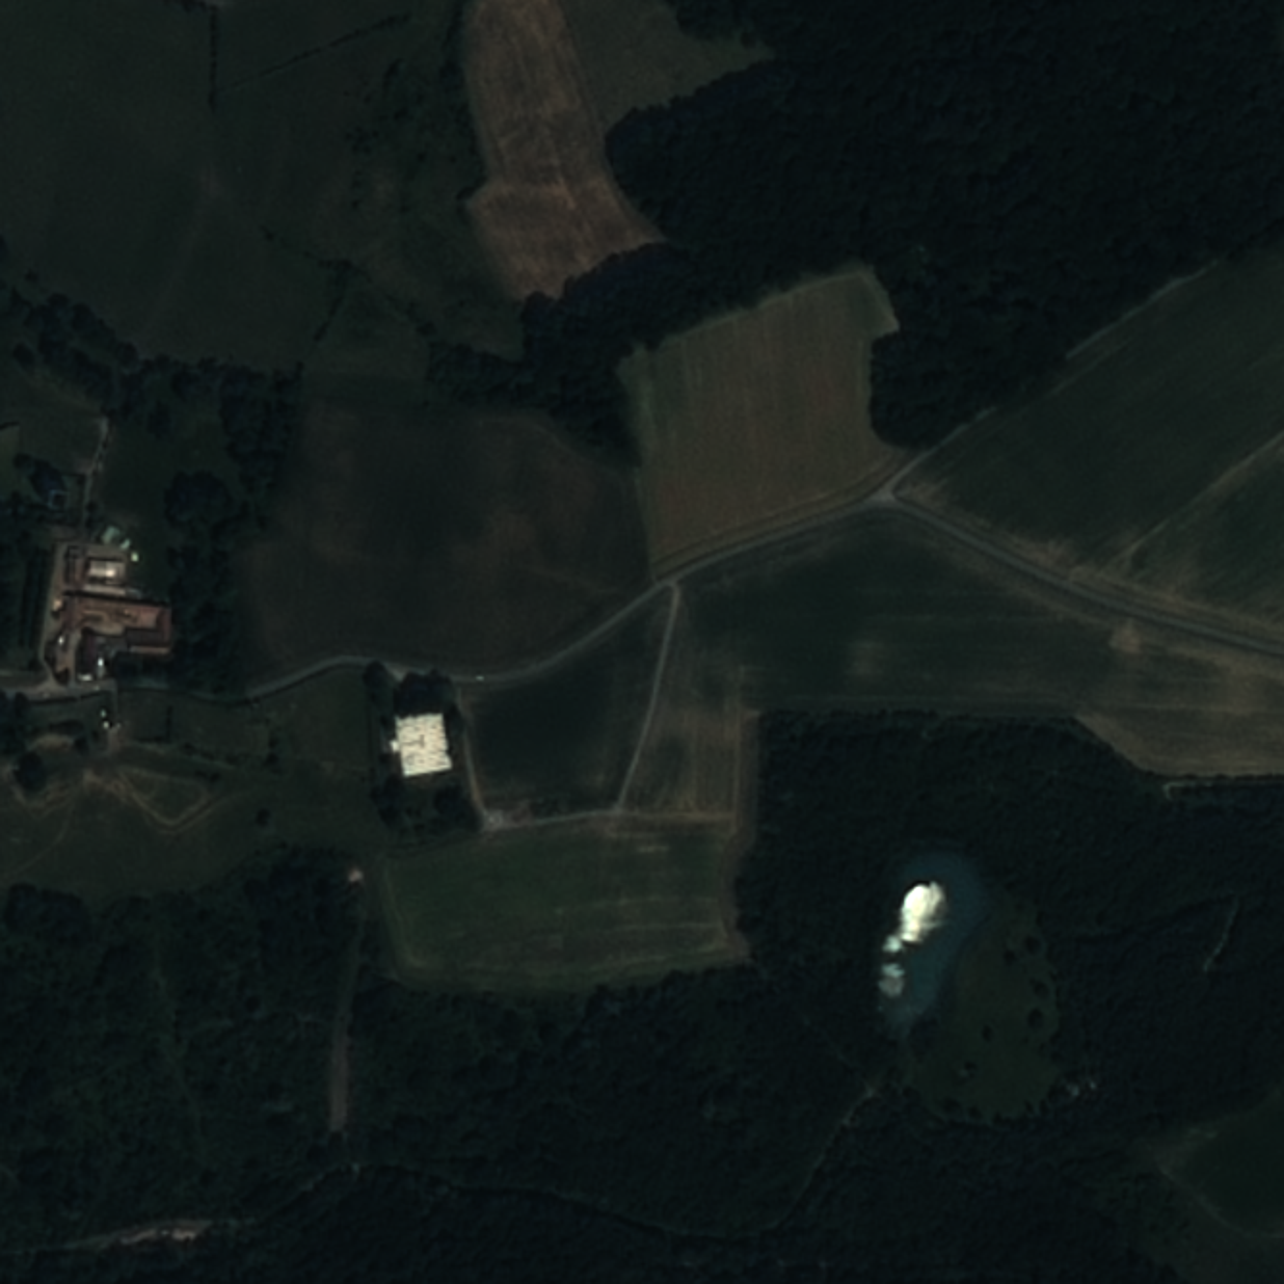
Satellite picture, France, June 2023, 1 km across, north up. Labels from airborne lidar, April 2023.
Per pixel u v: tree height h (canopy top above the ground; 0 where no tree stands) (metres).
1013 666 0
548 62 0
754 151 25
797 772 18
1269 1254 0
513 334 0
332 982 6
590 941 0
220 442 0
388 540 0
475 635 0
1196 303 0
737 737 0
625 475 0
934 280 20
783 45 11
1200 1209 0
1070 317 17
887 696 0
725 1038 7
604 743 0
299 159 0
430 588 0
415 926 0
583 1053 16
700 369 0
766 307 0
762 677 0
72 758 0
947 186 21
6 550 27
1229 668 0
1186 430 0
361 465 0
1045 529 0
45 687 0
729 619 0
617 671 0
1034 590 0
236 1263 16
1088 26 20
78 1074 6
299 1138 8
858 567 0
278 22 0
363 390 0
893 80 22
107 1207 8
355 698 0
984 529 0
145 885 0
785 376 0
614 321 23
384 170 0
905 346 15
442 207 0
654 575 0
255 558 0
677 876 0
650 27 0
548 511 0
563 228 0
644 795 0
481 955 0
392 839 0
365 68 0
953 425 10
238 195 0
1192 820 15
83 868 0
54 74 0
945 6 21
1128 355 0
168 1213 5
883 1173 10
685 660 0
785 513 0
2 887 0
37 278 12
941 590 0
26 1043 12
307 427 0
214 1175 10
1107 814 13
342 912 7
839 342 0
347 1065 6
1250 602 0
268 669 0
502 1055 8
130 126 0
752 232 24
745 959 0
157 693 0
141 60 0
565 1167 20
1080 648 0
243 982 13
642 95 0
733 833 0
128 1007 6
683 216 26
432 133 0
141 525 0
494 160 0
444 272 0
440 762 0
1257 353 0
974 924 0
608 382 18
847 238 20
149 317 0
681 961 0
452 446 0
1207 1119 9
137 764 0
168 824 0
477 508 0
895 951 0
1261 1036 16
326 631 0
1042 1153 16
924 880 0
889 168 24
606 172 0
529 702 0
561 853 0
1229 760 0
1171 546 0
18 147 0
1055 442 0
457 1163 11
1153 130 24
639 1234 15
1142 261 20
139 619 0
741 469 0
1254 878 15
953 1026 0
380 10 0
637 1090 18
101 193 0
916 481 0
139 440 0
